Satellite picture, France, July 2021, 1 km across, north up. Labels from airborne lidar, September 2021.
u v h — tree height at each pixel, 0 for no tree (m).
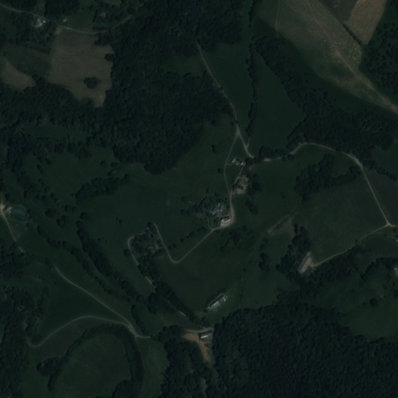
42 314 30
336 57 0
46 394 0
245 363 18
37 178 0
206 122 20
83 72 0
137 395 19
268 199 0
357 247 10
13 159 21
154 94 21
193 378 21
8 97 18
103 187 19
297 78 13
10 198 23
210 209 8
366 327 0
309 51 0
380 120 8
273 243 0
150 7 15
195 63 0
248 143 0
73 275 0
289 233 0
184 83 22
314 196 0
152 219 0
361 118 16
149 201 0
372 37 0
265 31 0
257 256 0
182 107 25
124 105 16
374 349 21
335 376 20
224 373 22
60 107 14
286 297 14
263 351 24
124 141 25
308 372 20
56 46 0
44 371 24
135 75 24
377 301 10
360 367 12
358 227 0
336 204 0
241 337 23
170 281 0
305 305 24
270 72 0
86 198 24
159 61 19
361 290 0
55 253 0
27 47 8
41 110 12
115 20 18
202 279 0
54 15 19
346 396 17
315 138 22
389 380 16
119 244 0
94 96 0
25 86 0
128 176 18
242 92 0
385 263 20
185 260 0
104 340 0
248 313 24
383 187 0
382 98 0
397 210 0
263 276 0
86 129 12
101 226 0
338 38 0
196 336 0
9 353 33
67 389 0
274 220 0
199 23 22
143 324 17
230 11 21
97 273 0
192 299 0
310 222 0
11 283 0
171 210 0
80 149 26
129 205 0
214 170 0
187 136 24
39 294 0
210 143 0
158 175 14
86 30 0
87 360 0
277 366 17
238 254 0
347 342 29
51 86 10
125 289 20
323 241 0
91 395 0
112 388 0
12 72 0
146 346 0
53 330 0
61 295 0
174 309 8
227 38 22
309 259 0
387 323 0
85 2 0
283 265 10
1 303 25
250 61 15
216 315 0
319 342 28
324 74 0
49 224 0
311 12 0
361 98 0
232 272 0
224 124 0
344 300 0
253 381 21
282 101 0
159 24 23
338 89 0
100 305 0
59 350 0
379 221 0
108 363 0
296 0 0
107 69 0
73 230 0
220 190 0
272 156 18
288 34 0
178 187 0
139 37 21
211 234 0
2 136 28
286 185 0
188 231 0
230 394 20
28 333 21
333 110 10
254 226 0
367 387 13
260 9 0
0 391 25
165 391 24
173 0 26
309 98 18
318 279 24
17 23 10
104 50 0
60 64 0
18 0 20
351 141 22
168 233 0
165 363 0
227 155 0
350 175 12
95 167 0
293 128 0
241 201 0
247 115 0
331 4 0
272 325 22
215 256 0
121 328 10
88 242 22
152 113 26
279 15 0
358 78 0
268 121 0
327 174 17
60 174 0
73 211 12
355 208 0
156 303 27
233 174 0
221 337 22
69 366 0
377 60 11
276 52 24
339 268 20
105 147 14
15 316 28
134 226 0
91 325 0
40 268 0
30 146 28
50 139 12
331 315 21
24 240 0
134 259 0
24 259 18
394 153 0
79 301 0
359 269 18
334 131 22
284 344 28
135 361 14
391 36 16
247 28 0
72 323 0
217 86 14
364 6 0
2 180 27
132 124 29
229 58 0
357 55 0
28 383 0
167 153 19
